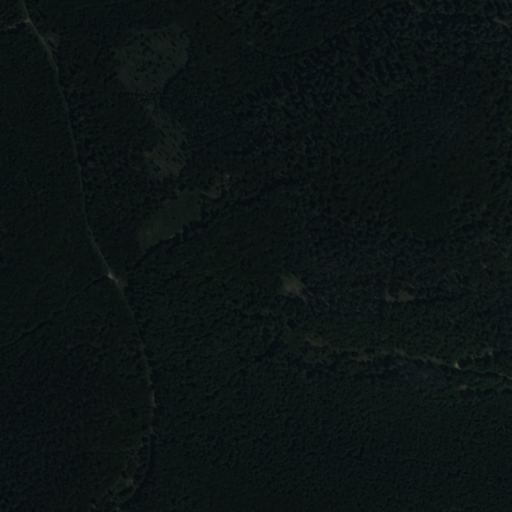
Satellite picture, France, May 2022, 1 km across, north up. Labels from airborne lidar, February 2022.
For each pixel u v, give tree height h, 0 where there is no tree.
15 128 17
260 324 29
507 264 29
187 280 31
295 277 34
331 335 28
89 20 15
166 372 29
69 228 19
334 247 23
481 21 39
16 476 17
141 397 12
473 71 14
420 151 12
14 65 16
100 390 16
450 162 15
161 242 12
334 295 21
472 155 10
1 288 16
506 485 27
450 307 31
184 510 19
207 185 16
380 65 36
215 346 30
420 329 29
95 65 14
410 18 39
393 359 29
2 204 20
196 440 27
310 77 40
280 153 35
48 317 16
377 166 12
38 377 11
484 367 25
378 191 10
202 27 14
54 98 27
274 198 28
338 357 20
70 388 16
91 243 10
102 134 13
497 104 21
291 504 19
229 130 12
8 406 13
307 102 38
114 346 7
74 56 13
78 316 13
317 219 30
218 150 12
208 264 30
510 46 34
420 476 21
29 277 16
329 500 22
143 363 10
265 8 36
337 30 15
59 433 13
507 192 29
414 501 25
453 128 10
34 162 18
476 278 32
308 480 27
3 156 18
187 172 12
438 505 27
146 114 11
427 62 37
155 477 28
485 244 27
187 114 8
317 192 13
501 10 35
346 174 14
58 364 8
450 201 11
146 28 14
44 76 23
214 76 10
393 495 26
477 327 24
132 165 12
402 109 15
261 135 11
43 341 9
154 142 15
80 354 9
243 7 23
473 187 22
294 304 34
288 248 27
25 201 20
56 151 22
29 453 14
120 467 9
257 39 13
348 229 14
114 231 15
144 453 13
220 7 18
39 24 10
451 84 13
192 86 13
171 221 0
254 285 29
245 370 31
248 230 24
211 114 14
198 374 28
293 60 12
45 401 10
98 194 15
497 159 12
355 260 29
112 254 14
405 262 28
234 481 18
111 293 15
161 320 30
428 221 17
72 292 14
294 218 25
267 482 25
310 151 18
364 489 28
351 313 29
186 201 0
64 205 17
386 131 11
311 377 28
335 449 26
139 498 24
